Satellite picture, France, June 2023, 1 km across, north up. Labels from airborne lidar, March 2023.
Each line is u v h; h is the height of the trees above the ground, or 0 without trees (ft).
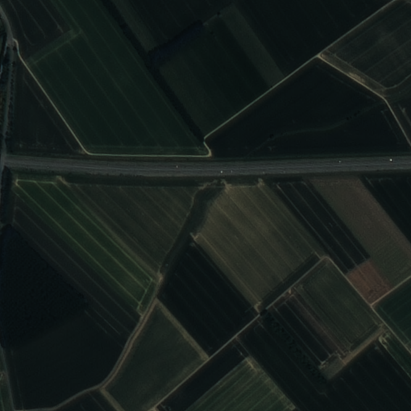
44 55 0
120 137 0
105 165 0
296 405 0
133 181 0
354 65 0
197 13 0
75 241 0
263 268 0
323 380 29
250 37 0
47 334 0
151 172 0
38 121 0
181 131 0
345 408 0
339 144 0
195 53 0
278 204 0
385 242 0
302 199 0
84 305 83
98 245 0
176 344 0
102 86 0
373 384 0
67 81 0
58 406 0
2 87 59
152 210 0
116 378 0
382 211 0
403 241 0
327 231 0
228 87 0
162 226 0
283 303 0
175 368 0
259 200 0
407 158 0
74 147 0
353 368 0
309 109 0
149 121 0
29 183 0
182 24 0
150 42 0
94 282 0
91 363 0
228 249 0
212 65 0
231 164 0
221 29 0
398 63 0
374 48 0
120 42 0
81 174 0
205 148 0
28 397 0
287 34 0
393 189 0
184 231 0
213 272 0
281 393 0
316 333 0
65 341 0
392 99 0
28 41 0
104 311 0
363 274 0
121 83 0
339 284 0
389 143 0
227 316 0
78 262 0
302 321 0
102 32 0
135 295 0
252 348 0
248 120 0
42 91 0
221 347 0
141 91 0
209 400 0
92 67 0
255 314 0
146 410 0
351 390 0
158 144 0
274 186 0
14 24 0
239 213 0
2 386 0
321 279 0
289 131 0
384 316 0
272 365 0
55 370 0
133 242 0
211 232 0
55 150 0
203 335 0
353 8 0
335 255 0
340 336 0
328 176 0
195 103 0
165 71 0
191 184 0
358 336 0
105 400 0
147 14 0
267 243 0
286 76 0
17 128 0
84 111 0
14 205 0
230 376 0
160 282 0
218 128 0
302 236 0
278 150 0
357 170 0
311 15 0
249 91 0
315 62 0
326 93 0
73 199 0
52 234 0
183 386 0
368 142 0
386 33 0
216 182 0
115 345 0
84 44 0
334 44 0
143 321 0
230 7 0
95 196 0
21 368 0
